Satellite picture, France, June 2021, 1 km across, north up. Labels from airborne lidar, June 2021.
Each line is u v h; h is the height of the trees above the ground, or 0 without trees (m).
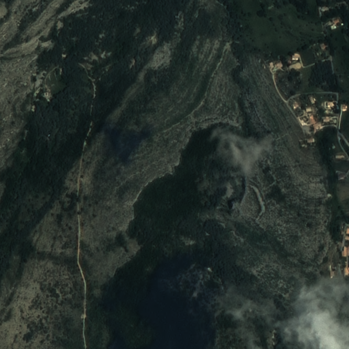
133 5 9
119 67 12
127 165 0
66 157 11
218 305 8
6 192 10
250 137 16
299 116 0
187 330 7
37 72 10
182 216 16
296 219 0
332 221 8
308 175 0
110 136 6
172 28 11
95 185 0
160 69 7
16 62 0
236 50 12
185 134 8
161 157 0
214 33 12
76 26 10
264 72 0
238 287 18
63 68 14
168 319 6
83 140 11
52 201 8
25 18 11
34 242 0
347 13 17
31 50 0
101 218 0
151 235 12
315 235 0
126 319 10
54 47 7
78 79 9
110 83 10
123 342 8
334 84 8
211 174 15
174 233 5
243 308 8
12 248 11
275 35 0
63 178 12
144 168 0
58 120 9
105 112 8
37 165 11
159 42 6
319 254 0
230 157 8
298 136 0
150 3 11
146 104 6
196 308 9
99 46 7
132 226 15
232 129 6
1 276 8
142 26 8
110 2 8
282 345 12
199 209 14
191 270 8
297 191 0
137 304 11
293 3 13
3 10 0
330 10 17
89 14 9
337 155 0
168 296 7
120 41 16
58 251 0
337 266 0
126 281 19
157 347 8
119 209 0
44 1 8
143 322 9
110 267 0
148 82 7
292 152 0
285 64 8
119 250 0
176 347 8
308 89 0
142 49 7
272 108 0
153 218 9
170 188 14
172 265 9
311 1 0
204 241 10
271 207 0
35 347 0
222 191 12
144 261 15
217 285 11
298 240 0
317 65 10
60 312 6
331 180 0
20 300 0
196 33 12
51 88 0
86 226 0
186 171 13
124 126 8
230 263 17
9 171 10
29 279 0
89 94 7
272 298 11
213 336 10
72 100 7
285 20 0
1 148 0
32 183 11
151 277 12
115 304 10
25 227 11
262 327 11
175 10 11
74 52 7
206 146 10
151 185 13
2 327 0
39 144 11
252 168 0
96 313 6
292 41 0
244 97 0
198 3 7
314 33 0
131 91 0
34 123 13
